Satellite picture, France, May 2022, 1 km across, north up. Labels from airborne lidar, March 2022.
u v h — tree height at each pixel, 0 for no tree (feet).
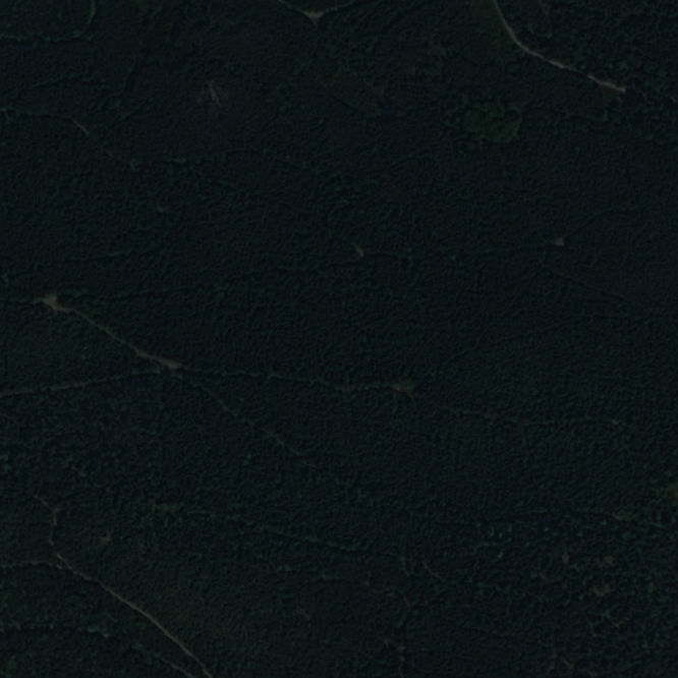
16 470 94
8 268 58
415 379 68
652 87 94
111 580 26
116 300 55
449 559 31
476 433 25
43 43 75
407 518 75
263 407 33
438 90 72
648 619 36
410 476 57
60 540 49
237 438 28
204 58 88
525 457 44
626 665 55
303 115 71
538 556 37
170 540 23
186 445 37
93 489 41
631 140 57
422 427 35
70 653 66
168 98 82
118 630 54
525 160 74
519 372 33
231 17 71
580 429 32
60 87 67
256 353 72
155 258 85
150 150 79
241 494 44
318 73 78
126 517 40
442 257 76
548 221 67
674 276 82
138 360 52
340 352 55
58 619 81
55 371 42
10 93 72
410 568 45
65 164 46
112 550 23
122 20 73
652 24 95
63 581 47
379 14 44
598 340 53
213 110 73
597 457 41
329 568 59
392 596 72
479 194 59
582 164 78
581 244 72
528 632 52
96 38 64
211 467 42
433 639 70
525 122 54
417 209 77
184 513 35
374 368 52
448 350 60
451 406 56
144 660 77
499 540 110
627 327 70
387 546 51
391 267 61
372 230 68
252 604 30
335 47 39
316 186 83
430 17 75
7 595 67
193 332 60
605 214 58
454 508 75
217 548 24
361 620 51
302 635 43
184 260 76
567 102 55
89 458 48
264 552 44
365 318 71
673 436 57
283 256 81
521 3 89
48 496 57
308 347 64
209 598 24
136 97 98
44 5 75
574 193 74
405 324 52
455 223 71
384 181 79
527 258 72
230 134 68
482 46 25
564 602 54
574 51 94
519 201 55
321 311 63
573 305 54
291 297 59
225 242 68
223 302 47
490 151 71
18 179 62
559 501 30
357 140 68
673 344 58
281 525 53
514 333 51
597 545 54
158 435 35
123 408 79
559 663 52
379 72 64
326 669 41
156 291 55
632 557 40
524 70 51
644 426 41
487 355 34
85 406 35
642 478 39
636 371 33
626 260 63
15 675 82
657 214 78
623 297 75
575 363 41
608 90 0
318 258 86
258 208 75
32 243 63
